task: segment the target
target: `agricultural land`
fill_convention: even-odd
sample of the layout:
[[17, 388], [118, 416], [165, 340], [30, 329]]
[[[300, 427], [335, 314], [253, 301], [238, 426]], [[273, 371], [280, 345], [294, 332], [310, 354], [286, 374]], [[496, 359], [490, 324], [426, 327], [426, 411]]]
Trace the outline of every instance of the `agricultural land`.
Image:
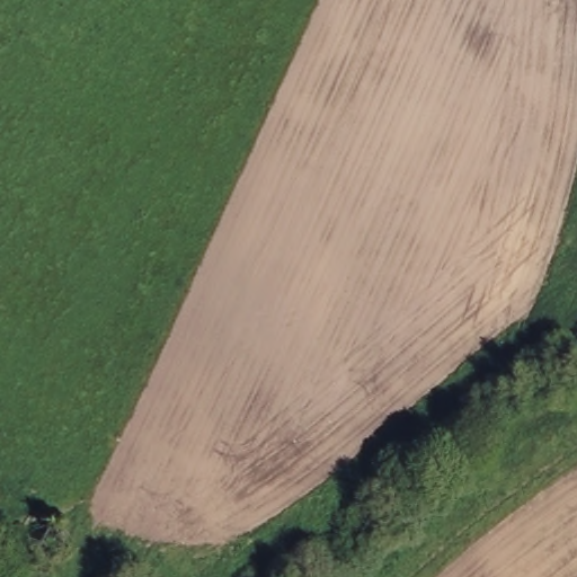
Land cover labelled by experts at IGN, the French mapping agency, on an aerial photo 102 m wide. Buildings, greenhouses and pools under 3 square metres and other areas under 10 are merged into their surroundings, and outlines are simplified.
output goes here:
[[437, 577], [577, 577], [577, 469], [559, 478], [548, 489], [539, 491], [530, 503], [521, 505], [516, 512], [503, 518], [482, 539], [471, 543], [458, 559], [453, 559]]
[[527, 318], [536, 300], [536, 293], [543, 284], [543, 277], [548, 273], [548, 264], [554, 255], [559, 230], [568, 207], [570, 187], [577, 174], [577, 0], [0, 0], [0, 514], [5, 512], [9, 516], [23, 516], [29, 509], [27, 498], [41, 498], [47, 505], [59, 507], [77, 494], [90, 491], [90, 514], [92, 523], [99, 530], [108, 527], [124, 532], [126, 536], [171, 541], [180, 545], [223, 545], [243, 532], [259, 527], [268, 518], [277, 516], [282, 509], [286, 509], [293, 500], [302, 498], [313, 487], [325, 482], [325, 478], [334, 471], [336, 462], [343, 458], [354, 458], [361, 451], [361, 444], [385, 421], [388, 415], [415, 406], [435, 385], [444, 383], [446, 376], [469, 354], [478, 352], [485, 338], [496, 338], [509, 325]]

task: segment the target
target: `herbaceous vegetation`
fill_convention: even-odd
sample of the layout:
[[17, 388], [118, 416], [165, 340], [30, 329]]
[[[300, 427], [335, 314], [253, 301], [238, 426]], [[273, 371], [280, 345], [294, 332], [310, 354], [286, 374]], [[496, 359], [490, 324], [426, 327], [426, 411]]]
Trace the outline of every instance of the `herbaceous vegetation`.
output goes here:
[[376, 563], [370, 566], [361, 577], [437, 577], [453, 559], [458, 559], [471, 543], [482, 539], [503, 518], [516, 512], [521, 505], [530, 503], [539, 491], [548, 489], [559, 478], [577, 469], [577, 412], [548, 412], [541, 419], [534, 419], [534, 426], [527, 430], [514, 426], [512, 412], [503, 417], [498, 421], [498, 446], [494, 446], [487, 464], [476, 469], [471, 480], [467, 480], [464, 487], [458, 491], [462, 505], [451, 512], [442, 509], [440, 521], [428, 518], [421, 527], [421, 545], [390, 552], [385, 561], [376, 559]]
[[313, 487], [302, 498], [293, 500], [286, 509], [282, 509], [277, 516], [268, 518], [259, 527], [243, 532], [223, 545], [180, 545], [171, 541], [126, 536], [124, 532], [108, 527], [99, 530], [92, 523], [90, 514], [90, 491], [77, 494], [59, 507], [59, 534], [61, 539], [68, 539], [70, 545], [77, 545], [81, 550], [81, 563], [77, 559], [63, 559], [54, 568], [54, 572], [41, 572], [29, 566], [27, 570], [16, 570], [14, 577], [115, 577], [124, 566], [126, 552], [133, 552], [137, 561], [147, 561], [156, 577], [270, 577], [286, 570], [291, 554], [295, 554], [302, 548], [302, 543], [309, 541], [309, 532], [329, 527], [331, 512], [338, 503], [347, 509], [354, 505], [356, 491], [374, 478], [381, 464], [394, 458], [399, 460], [399, 464], [406, 462], [412, 451], [419, 451], [424, 442], [430, 440], [433, 433], [442, 428], [446, 430], [455, 424], [455, 419], [471, 399], [471, 390], [478, 383], [498, 381], [500, 376], [512, 374], [516, 356], [523, 349], [539, 347], [548, 334], [554, 331], [557, 322], [572, 327], [577, 320], [577, 174], [570, 187], [568, 207], [559, 230], [554, 255], [548, 264], [548, 273], [543, 277], [543, 284], [536, 293], [536, 300], [527, 318], [534, 322], [527, 329], [518, 331], [516, 340], [500, 343], [496, 338], [485, 338], [478, 352], [469, 354], [446, 376], [444, 383], [435, 385], [415, 406], [388, 415], [385, 421], [361, 444], [361, 451], [354, 458], [343, 458], [336, 462], [334, 471], [325, 478], [325, 482]]

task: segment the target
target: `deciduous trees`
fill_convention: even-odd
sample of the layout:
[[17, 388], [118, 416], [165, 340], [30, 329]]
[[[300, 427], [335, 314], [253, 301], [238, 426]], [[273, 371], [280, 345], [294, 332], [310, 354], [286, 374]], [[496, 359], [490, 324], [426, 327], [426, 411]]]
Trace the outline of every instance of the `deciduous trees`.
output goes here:
[[47, 505], [41, 498], [27, 498], [29, 509], [23, 516], [9, 516], [5, 512], [0, 514], [0, 577], [14, 577], [16, 570], [27, 570], [29, 566], [41, 572], [54, 572], [54, 568], [63, 559], [77, 559], [81, 563], [81, 550], [77, 545], [70, 545], [68, 539], [61, 539], [59, 534], [59, 507]]

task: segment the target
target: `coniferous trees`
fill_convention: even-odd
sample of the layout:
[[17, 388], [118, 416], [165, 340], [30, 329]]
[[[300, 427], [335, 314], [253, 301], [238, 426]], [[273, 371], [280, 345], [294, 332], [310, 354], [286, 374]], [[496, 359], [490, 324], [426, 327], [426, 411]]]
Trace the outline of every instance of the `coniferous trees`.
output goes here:
[[156, 577], [147, 561], [137, 561], [133, 552], [126, 552], [124, 566], [115, 577]]
[[399, 460], [394, 458], [381, 464], [374, 478], [356, 491], [354, 505], [347, 509], [338, 503], [331, 512], [329, 527], [309, 532], [309, 541], [302, 543], [302, 548], [295, 554], [291, 554], [286, 570], [270, 577], [361, 577], [370, 566], [376, 563], [376, 559], [385, 561], [390, 552], [421, 545], [421, 527], [428, 518], [440, 521], [442, 509], [451, 512], [462, 505], [458, 491], [464, 487], [467, 480], [471, 480], [476, 469], [487, 464], [494, 446], [498, 446], [498, 421], [503, 417], [512, 412], [514, 426], [527, 430], [534, 426], [534, 419], [541, 419], [548, 412], [577, 412], [577, 320], [572, 327], [557, 322], [554, 331], [548, 334], [539, 347], [523, 349], [516, 356], [512, 374], [500, 376], [498, 381], [478, 383], [471, 390], [471, 399], [455, 419], [455, 424], [446, 430], [442, 428], [433, 433], [430, 440], [424, 442], [419, 451], [412, 451], [406, 462], [399, 464]]

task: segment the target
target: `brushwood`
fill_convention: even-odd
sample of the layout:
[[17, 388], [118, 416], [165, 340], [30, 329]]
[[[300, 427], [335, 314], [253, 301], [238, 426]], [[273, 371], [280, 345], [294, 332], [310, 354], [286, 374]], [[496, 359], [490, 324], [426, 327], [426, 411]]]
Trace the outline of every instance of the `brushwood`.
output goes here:
[[496, 338], [500, 343], [516, 340], [518, 331], [527, 329], [534, 322], [527, 318], [509, 325]]

